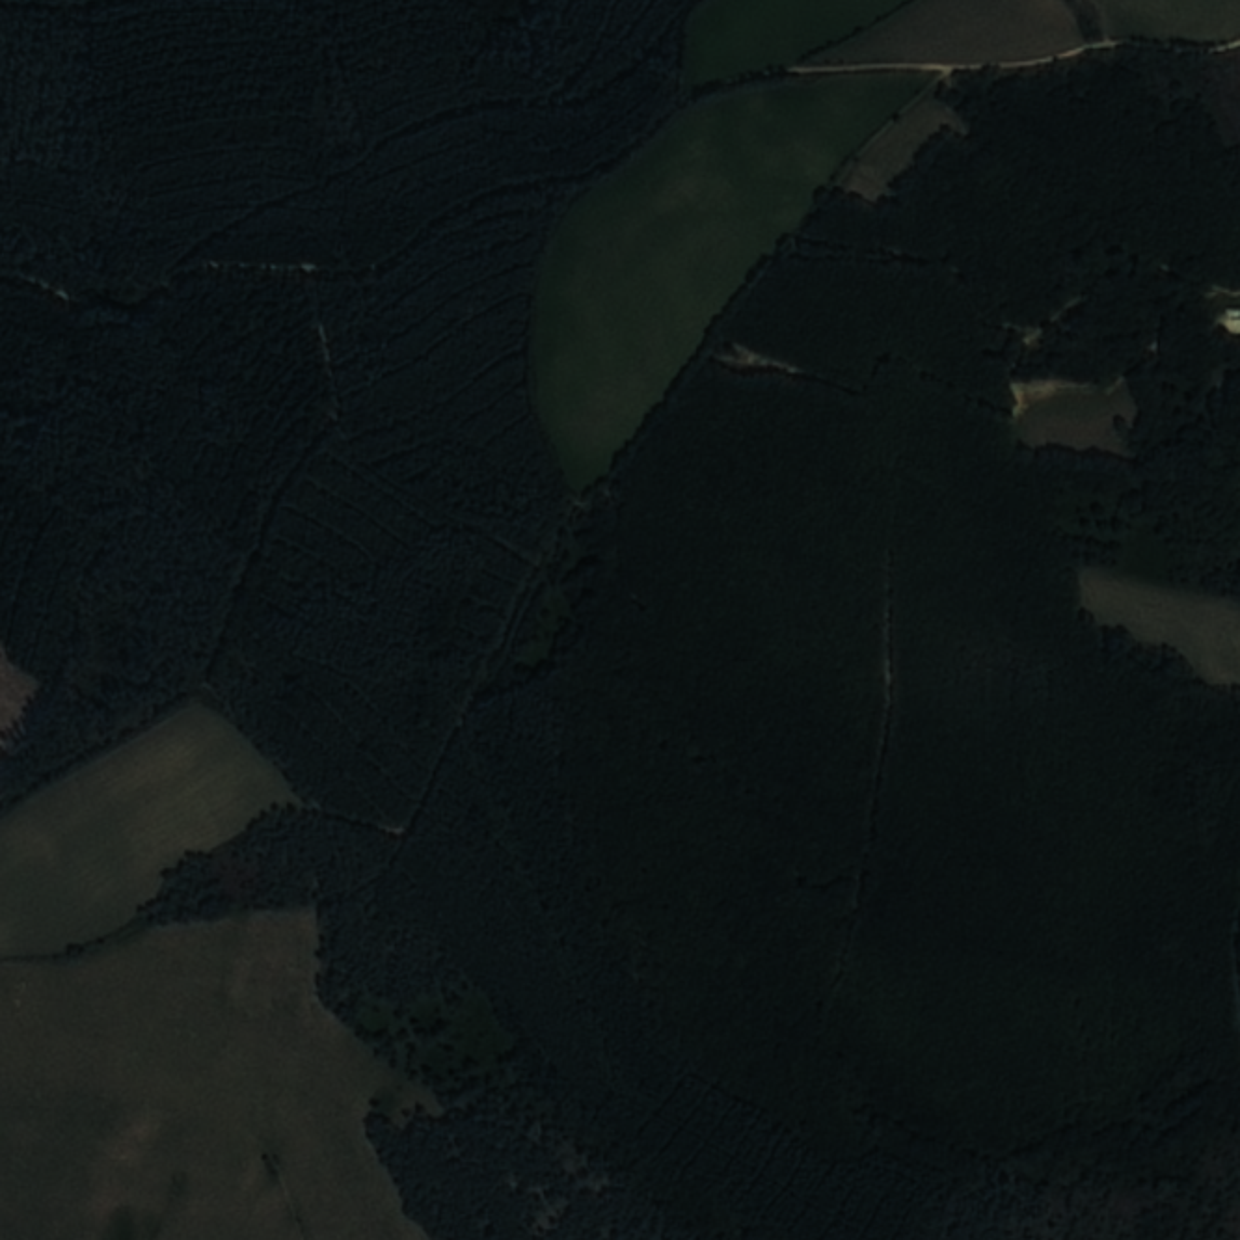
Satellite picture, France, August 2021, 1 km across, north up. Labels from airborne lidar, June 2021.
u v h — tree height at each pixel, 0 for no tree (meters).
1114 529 12
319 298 7
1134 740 19
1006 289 20
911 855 12
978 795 13
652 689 19
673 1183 17
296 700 16
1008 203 20
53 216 18
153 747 0
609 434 0
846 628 13
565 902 20
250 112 26
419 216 14
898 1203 22
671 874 19
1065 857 12
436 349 13
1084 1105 9
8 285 15
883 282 15
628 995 19
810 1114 19
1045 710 12
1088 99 9
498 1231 15
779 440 16
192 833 0
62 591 16
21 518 14
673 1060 19
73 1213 0
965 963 13
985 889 12
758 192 0
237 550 16
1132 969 13
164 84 28
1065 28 0
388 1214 0
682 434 15
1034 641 15
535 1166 13
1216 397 19
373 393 14
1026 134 17
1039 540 19
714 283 0
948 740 11
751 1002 25
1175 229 21
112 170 18
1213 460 19
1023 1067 11
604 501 11
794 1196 24
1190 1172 6
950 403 17
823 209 12
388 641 26
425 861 11
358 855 10
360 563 12
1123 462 12
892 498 16
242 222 13
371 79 19
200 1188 0
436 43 22
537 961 12
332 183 15
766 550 14
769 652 16
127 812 0
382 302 12
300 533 13
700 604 16
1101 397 0
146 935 0
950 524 12
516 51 26
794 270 14
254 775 0
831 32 0
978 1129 14
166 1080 0
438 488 14
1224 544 7
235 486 13
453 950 12
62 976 0
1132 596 0
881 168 0
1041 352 8
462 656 21
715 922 25
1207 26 0
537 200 13
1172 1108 14
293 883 9
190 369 15
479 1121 11
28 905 0
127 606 6
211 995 0
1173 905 16
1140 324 12
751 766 20
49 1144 0
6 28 18
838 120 0
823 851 18
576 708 18
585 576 13
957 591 11
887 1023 8
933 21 0
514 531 14
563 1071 15
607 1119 21
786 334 13
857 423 15
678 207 0
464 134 15
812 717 18
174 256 17
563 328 0
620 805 17
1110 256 25
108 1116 0
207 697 0
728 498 18
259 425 12
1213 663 0
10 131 24
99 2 24
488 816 13
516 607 6
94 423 23
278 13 25
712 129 0
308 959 0
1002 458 23
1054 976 11
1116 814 13
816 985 18
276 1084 0
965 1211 15
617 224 0
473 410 12
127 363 21
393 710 13
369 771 15
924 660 9
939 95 9
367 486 13
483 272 13
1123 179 21
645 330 0
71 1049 0
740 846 22
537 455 16
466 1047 0
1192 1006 11
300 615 20
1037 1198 11
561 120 15
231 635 11
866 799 17
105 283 20
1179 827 18
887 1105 15
